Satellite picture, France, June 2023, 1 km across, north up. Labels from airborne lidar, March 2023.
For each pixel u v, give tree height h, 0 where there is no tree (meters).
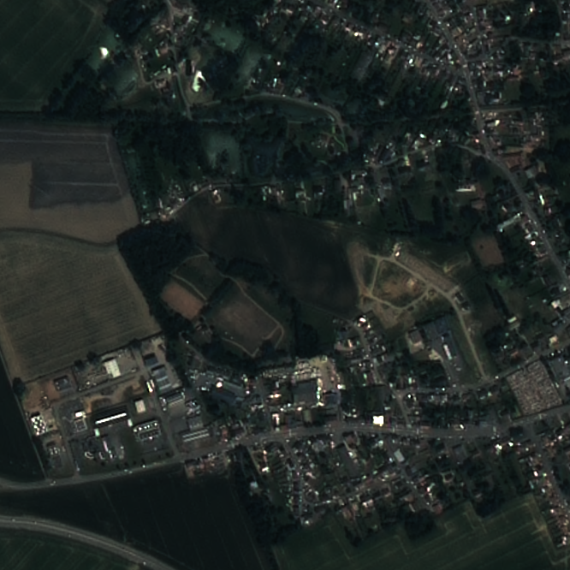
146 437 0
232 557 0
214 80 30
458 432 0
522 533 0
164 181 0
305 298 0
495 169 0
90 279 0
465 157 0
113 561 0
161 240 24
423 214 0
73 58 0
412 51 0
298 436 0
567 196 0
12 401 0
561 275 0
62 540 0
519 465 0
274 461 0
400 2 6
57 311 0
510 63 15
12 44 0
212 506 0
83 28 0
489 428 0
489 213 10
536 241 0
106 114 22
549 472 0
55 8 0
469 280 0
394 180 14
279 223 0
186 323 12
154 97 0
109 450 0
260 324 0
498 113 0
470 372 0
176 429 0
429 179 0
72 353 0
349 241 0
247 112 15
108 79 23
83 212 0
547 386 0
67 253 0
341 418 0
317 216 10
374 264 0
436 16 0
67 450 0
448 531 0
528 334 0
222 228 0
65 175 0
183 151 27
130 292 0
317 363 0
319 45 25
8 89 0
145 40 0
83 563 0
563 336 0
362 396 0
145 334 0
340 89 12
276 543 10
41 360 0
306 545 0
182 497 0
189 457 0
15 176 0
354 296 0
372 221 0
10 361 0
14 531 0
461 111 13
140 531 0
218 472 0
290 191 0
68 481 0
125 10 11
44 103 0
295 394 0
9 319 0
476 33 0
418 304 0
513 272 16
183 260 0
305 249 0
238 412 0
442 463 12
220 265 13
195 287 0
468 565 0
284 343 0
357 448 9
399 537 0
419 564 0
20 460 0
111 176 0
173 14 0
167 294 0
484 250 0
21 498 0
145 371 0
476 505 7
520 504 0
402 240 0
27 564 0
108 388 0
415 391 0
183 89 0
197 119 13
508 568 0
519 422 0
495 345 13
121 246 15
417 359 0
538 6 8
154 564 0
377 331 0
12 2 0
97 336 0
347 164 20
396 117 14
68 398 0
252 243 0
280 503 0
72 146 0
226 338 0
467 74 0
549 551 0
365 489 0
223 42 7
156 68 0
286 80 20
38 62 0
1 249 0
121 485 0
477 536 0
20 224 0
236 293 0
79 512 0
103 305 0
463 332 0
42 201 0
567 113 14
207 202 0
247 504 11
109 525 0
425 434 0
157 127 25
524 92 14
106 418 0
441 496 13
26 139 0
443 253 0
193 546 0
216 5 8
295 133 9
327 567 0
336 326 0
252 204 9
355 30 0
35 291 0
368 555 0
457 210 0
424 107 10
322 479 0
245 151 14
